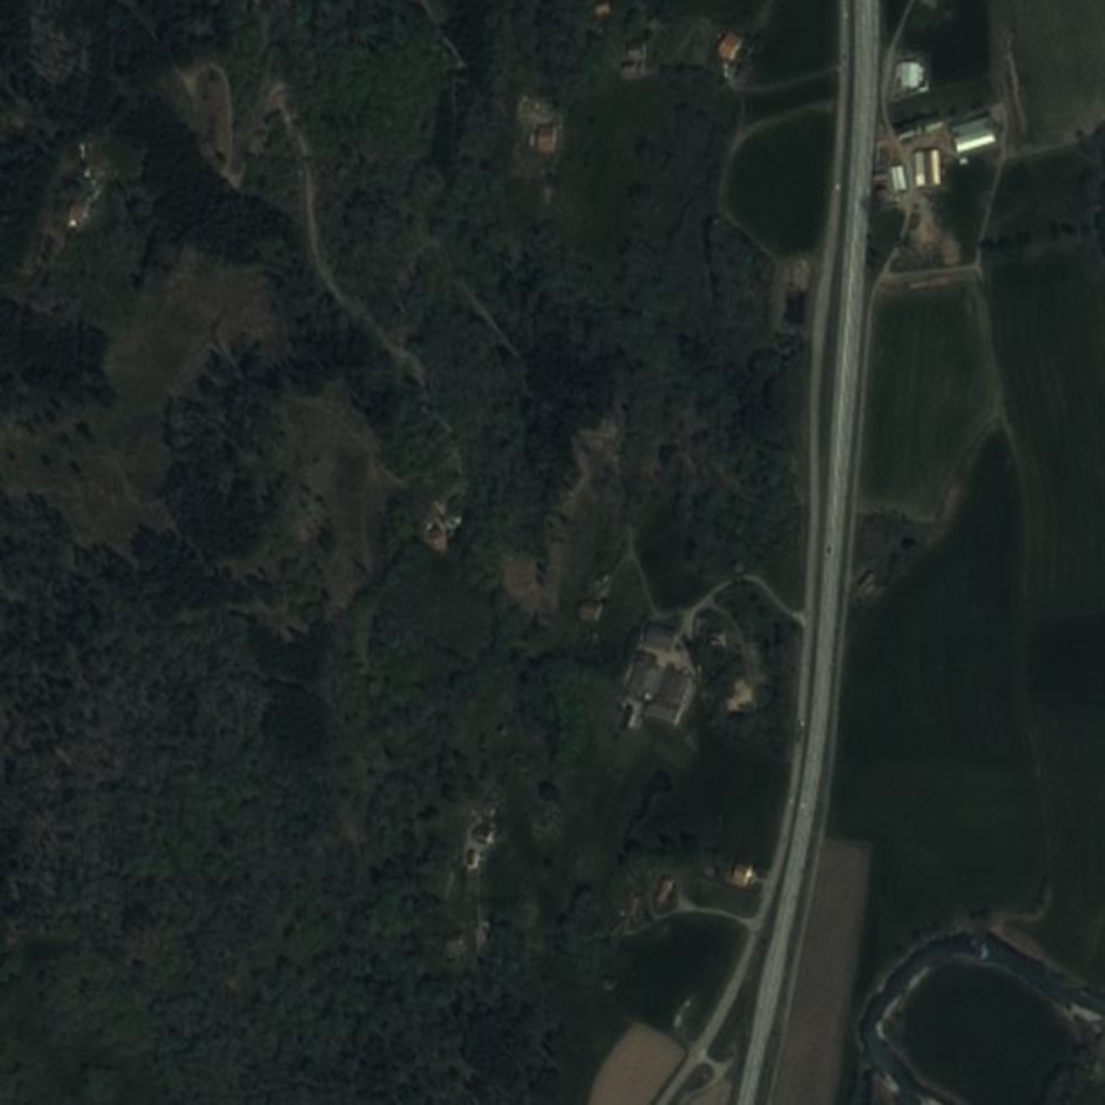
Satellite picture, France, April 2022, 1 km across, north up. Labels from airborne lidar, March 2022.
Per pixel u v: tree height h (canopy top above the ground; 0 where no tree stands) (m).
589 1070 0
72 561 25
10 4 21
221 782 23
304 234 8
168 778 17
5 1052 0
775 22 0
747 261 21
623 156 0
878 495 0
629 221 0
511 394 10
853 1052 0
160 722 26
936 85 0
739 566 18
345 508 0
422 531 6
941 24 0
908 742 0
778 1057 0
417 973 31
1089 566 0
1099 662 0
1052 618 0
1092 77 0
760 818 0
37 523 21
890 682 0
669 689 0
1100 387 0
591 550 0
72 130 12
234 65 14
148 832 27
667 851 12
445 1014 25
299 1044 23
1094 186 18
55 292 17
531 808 0
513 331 29
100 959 9
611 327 30
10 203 34
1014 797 0
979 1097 0
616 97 0
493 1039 30
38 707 29
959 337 0
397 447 13
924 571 0
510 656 24
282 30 15
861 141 0
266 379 17
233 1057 14
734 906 0
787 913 0
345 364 17
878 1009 0
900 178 0
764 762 0
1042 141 0
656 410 19
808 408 0
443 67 19
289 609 19
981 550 0
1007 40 0
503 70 24
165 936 14
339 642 22
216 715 27
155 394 0
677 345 26
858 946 0
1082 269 0
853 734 0
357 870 27
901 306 0
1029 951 0
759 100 0
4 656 15
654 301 21
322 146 14
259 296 36
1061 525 0
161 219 20
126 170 0
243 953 28
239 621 20
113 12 21
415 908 28
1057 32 0
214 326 0
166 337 0
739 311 19
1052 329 0
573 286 33
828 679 0
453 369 23
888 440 0
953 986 0
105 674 30
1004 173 0
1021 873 0
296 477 0
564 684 31
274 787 15
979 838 0
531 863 0
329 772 26
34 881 24
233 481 21
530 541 27
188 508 14
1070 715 0
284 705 28
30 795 22
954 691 0
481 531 20
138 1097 0
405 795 27
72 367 19
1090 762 0
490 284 28
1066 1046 0
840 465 0
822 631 0
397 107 16
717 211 14
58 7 18
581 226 0
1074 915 0
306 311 35
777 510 23
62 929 12
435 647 24
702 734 0
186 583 24
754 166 0
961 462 0
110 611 20
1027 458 0
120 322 0
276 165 12
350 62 21
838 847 0
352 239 22
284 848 22
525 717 9
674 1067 0
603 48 24
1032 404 0
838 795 0
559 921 0
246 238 26
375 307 10
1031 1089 0
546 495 27
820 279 0
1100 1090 0
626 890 0
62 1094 0
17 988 20
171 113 17
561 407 27
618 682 9
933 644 0
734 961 0
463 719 26
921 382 0
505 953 26
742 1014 0
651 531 0
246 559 29
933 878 0
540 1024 32
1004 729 0
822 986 0
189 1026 10
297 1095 24
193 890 17
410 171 17
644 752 0
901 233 0
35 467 0
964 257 0
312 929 25
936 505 0
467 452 15
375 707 28
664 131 0
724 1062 0
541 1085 32
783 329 0
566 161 0
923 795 0
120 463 0
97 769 30
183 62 26
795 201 0
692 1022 0
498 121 22
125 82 23
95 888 25
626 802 0
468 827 0
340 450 0
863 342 0
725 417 26
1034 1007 0
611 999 0
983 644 0
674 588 0
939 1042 0
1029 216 0
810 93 0
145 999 14
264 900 24
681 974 0
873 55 0
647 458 19
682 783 0
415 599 16
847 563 0
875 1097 0
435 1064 21
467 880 0
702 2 0
